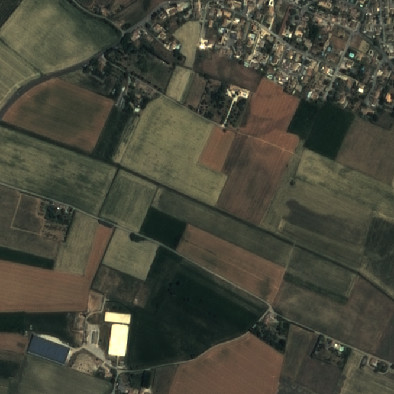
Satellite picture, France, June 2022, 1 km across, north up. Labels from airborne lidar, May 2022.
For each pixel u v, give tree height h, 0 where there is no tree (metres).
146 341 0
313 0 11
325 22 0
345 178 0
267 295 0
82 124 0
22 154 0
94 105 0
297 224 0
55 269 0
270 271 0
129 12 0
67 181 0
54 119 0
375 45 11
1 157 0
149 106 0
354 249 0
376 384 0
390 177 0
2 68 0
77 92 0
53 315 0
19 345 0
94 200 0
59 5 0
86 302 0
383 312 0
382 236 0
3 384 0
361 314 0
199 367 0
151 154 0
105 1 0
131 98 8
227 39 0
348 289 0
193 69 0
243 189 0
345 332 0
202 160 0
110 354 0
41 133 0
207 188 0
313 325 0
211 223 0
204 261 0
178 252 0
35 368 0
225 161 0
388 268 0
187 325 0
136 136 0
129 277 0
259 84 0
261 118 0
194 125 0
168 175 0
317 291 0
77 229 0
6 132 0
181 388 0
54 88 0
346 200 0
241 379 0
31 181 0
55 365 0
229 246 0
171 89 0
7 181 0
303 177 0
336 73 0
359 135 0
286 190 0
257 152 0
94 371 0
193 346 0
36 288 0
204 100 8
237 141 0
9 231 0
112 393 0
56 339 0
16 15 0
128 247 0
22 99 0
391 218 0
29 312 0
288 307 0
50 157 0
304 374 0
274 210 0
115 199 0
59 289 0
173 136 0
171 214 0
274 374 0
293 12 18
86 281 0
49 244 0
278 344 10
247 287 0
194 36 0
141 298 0
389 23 0
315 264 0
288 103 0
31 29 0
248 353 0
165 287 0
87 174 0
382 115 0
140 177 0
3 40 0
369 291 0
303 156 0
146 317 0
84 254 0
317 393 0
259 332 9
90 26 0
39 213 0
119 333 0
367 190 0
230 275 0
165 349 0
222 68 0
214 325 0
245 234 0
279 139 0
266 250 0
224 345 0
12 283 0
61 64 0
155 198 0
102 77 12
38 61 0
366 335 0
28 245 0
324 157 0
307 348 0
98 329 0
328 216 0
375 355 0
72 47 0
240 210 0
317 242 0
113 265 0
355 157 0
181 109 0
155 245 0
